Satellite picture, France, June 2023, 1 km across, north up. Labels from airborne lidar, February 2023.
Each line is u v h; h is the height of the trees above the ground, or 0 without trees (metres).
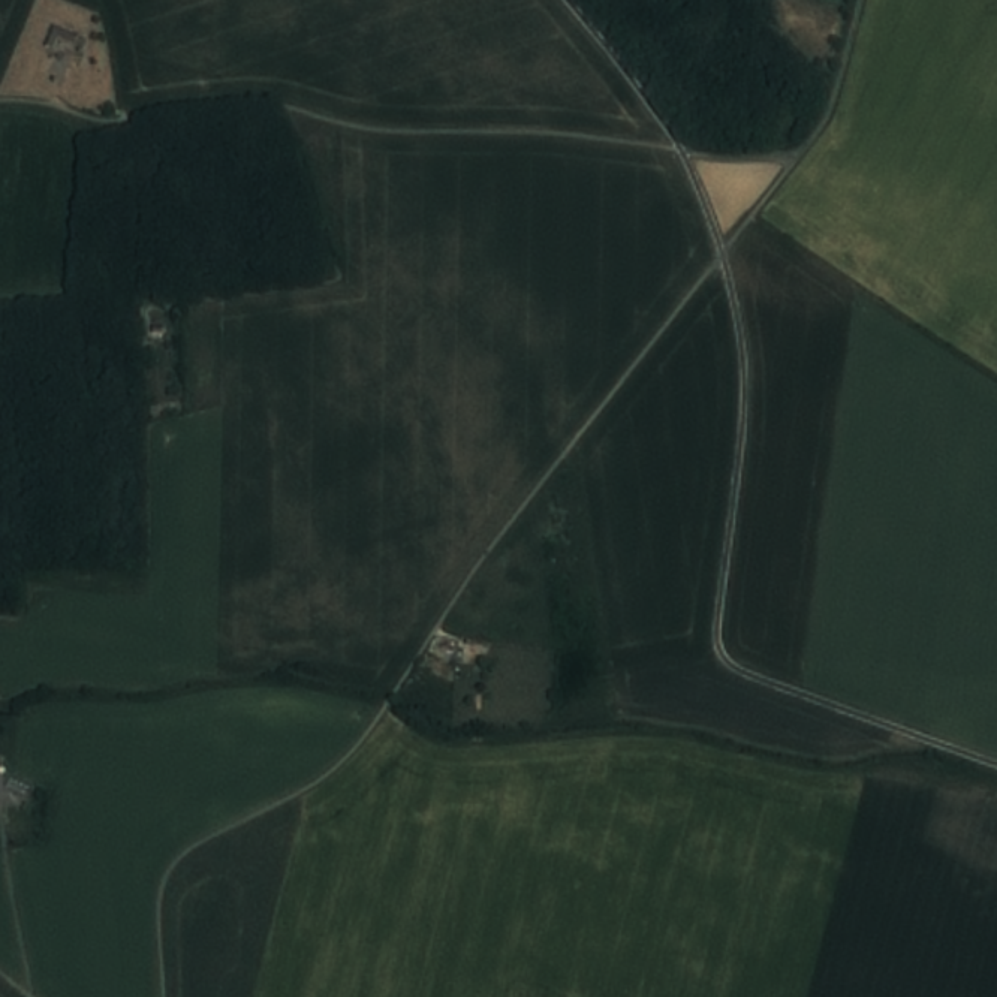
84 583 0
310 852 0
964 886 0
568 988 0
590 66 0
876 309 0
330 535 0
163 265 23
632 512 0
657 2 19
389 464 0
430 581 0
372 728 0
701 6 24
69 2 0
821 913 0
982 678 0
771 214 0
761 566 0
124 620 0
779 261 0
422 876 0
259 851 0
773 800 0
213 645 0
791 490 0
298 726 0
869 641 0
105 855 0
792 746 0
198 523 0
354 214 0
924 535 0
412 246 0
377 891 0
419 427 0
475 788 0
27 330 21
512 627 0
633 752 0
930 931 0
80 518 21
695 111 20
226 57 0
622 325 0
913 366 0
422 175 0
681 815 0
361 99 0
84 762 0
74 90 0
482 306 0
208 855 0
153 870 0
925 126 0
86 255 20
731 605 0
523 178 0
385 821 0
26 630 0
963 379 0
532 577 0
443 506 0
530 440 0
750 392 0
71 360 22
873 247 0
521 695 0
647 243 0
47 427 21
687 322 0
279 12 0
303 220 23
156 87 0
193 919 0
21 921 0
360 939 0
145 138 21
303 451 0
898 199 0
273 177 26
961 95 0
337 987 0
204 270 23
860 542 0
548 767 0
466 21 0
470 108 0
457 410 0
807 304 0
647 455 0
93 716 0
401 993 0
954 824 0
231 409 0
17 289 0
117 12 0
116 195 23
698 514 0
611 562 0
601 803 0
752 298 0
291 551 0
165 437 0
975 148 0
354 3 0
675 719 0
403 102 0
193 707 0
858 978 0
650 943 0
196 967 0
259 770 0
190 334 0
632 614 0
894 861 0
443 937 0
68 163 0
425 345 0
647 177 0
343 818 0
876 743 0
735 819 0
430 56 0
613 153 0
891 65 0
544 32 0
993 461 0
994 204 0
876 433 0
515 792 0
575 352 0
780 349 0
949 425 0
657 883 0
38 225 0
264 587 0
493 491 0
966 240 0
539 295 0
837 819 0
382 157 0
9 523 20
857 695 0
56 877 0
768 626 0
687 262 0
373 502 0
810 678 0
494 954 0
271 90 0
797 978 0
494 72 0
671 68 20
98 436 21
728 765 0
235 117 23
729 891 0
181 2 0
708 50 23
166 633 0
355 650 0
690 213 0
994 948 0
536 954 0
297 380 0
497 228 0
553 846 0
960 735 0
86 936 0
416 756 0
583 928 0
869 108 0
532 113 0
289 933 0
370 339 0
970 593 0
